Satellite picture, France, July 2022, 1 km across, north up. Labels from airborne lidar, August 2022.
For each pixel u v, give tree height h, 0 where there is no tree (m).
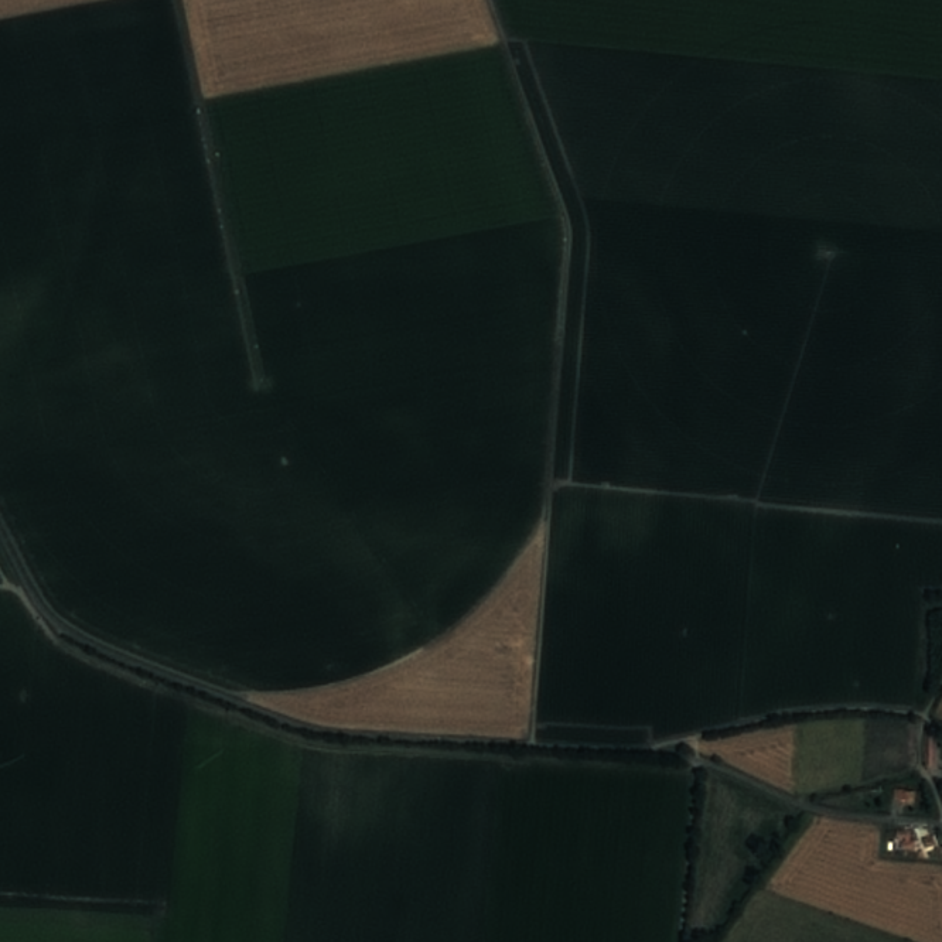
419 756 0
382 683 0
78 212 0
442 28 0
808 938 0
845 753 0
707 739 13
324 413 0
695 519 0
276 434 0
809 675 0
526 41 0
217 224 0
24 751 0
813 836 0
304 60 0
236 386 0
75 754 0
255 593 0
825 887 0
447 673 0
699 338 0
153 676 10
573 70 0
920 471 0
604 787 0
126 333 0
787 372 0
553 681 0
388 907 0
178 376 0
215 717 0
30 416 0
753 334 0
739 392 0
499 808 0
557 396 0
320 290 0
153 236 0
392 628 0
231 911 0
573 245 0
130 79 0
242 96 0
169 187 0
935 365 0
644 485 0
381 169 0
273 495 0
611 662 0
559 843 0
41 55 0
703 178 0
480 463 0
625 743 0
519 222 0
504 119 0
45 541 0
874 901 0
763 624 0
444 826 0
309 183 0
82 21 0
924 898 0
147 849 0
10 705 0
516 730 0
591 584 0
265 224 0
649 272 0
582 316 0
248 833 0
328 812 0
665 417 0
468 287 0
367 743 11
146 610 0
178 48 0
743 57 0
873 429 0
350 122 0
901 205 0
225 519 0
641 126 0
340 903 0
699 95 0
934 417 0
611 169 0
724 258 0
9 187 0
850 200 0
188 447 0
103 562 0
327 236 0
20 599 0
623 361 0
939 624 13
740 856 0
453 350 0
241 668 0
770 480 0
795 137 0
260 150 0
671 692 0
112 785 0
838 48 0
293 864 0
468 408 0
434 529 0
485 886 0
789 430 0
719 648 0
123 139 0
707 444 0
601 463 0
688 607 0
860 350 0
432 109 0
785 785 0
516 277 0
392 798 0
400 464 0
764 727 10
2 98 0
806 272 0
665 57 0
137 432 0
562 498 0
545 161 0
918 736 0
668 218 0
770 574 0
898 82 0
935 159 0
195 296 0
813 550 0
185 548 0
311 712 0
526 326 0
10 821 0
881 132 0
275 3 0
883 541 0
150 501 0
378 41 0
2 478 0
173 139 0
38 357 0
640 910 0
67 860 0
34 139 0
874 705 0
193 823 0
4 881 0
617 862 0
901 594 0
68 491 0
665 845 0
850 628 0
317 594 0
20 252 0
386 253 0
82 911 0
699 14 0
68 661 0
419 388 0
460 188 0
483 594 0
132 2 0
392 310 0
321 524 0
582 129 0
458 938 0
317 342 0
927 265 0
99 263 0
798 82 0
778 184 0
